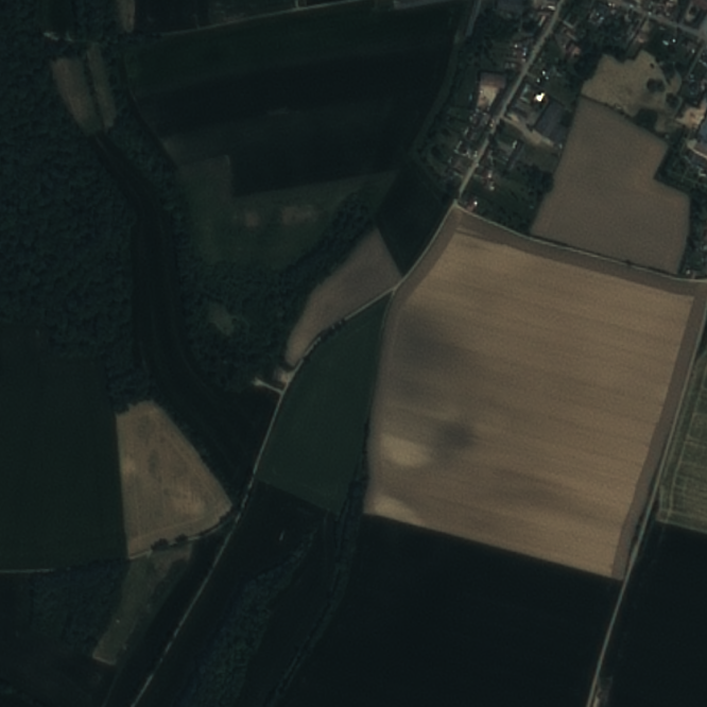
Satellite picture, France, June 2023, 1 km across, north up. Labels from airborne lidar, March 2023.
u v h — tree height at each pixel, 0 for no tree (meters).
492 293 0
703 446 0
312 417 0
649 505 0
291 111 0
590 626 0
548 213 0
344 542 10
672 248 0
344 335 0
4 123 26
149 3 0
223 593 0
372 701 0
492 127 0
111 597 17
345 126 0
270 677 0
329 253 16
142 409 0
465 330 0
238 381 18
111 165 0
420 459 0
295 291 19
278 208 0
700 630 0
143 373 18
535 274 0
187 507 0
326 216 0
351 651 0
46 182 22
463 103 0
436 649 0
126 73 0
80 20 12
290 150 0
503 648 0
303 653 8
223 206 0
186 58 0
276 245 0
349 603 0
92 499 0
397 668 0
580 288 0
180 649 0
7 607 0
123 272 20
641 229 0
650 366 0
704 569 0
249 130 0
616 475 0
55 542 0
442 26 0
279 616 0
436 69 0
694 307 0
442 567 0
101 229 27
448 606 0
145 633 0
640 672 0
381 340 0
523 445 0
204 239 0
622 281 0
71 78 0
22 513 0
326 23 0
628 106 0
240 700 0
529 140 0
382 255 0
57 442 0
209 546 0
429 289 0
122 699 0
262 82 0
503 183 0
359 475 0
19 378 0
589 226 0
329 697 0
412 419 0
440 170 0
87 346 23
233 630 21
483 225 0
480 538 0
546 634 0
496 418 0
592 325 0
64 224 29
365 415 0
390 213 0
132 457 0
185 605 0
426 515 0
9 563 0
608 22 7
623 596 0
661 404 0
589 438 0
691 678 0
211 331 9
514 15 6
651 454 0
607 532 0
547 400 0
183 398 0
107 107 0
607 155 0
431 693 0
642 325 0
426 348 0
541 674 0
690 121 0
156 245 0
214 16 0
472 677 0
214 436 0
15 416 0
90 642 19
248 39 0
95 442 0
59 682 0
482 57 12
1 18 21
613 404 0
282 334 8
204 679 23
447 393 0
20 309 25
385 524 0
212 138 0
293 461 0
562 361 0
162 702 0
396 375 0
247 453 0
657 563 0
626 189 0
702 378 0
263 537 0
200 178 0
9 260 25
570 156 0
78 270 31
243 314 9
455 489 0
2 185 26
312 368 0
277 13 0
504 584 0
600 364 0
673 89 0
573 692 0
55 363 0
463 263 0
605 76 0
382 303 0
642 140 0
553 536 0
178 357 0
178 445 0
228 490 7
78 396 0
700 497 0
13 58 24
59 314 29
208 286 9
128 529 0
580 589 0
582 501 0
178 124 0
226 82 0
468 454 0
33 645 0
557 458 0
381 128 0
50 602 15
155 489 0
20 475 0
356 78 0
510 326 0
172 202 10
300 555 6
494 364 0
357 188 0
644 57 0
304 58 0
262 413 0
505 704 0
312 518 0
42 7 0
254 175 0
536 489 0
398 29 0
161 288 0
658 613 0
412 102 0
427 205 0
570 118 0
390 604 0
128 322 23
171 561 0
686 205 0
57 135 23
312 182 0
